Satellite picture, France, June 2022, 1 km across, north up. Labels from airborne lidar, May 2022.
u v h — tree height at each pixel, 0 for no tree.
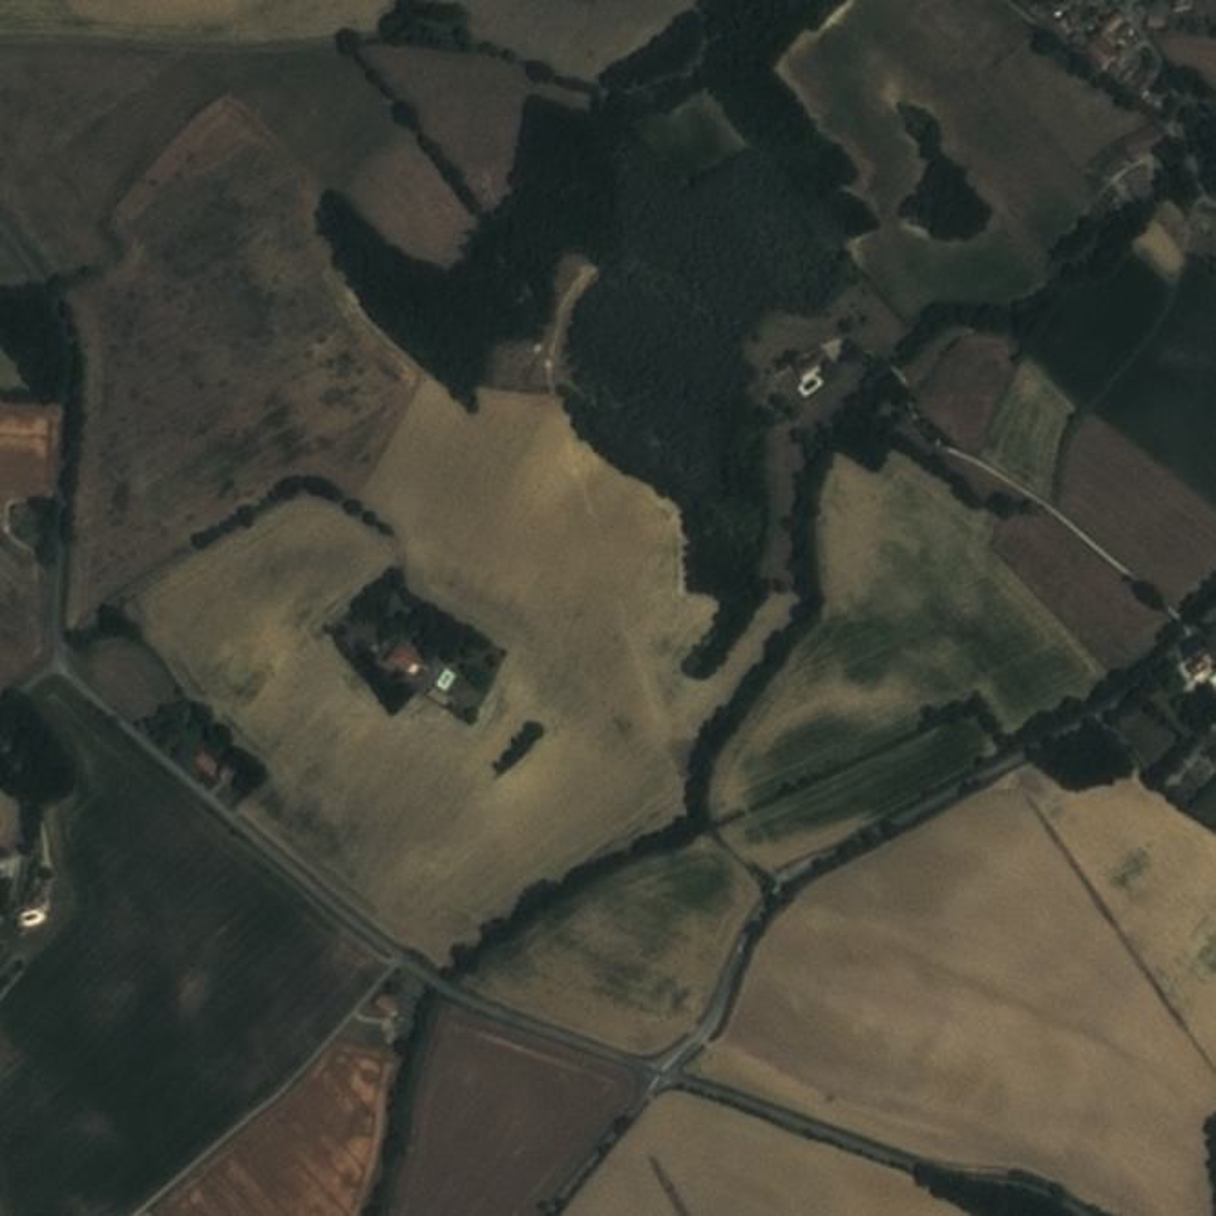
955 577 0
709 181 16
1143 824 0
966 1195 15
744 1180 0
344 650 6
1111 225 13
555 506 0
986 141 0
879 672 0
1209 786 7
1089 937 0
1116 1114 0
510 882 0
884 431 12
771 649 14
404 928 0
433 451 0
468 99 0
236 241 0
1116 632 0
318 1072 0
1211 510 0
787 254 10
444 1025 0
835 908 0
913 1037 0
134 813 0
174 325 0
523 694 0
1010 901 0
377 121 0
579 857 0
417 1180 0
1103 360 0
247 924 0
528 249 13
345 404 0
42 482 0
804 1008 0
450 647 13
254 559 0
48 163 0
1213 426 0
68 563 0
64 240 0
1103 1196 0
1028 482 0
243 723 0
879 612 0
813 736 0
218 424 0
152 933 0
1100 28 7
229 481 0
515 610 0
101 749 0
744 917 0
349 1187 0
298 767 0
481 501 0
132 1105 0
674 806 0
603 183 14
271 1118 0
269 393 0
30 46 0
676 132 0
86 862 0
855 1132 0
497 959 0
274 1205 0
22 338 15
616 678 0
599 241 14
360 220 7
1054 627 0
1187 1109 0
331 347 0
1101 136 0
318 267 0
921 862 0
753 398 15
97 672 0
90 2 0
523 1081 0
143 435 0
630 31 0
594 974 0
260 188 0
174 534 0
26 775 16
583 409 8
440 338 6
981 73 0
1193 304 0
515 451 0
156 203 0
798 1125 0
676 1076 0
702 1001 0
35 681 0
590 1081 0
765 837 0
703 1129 0
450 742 0
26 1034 0
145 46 0
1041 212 0
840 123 0
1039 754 18
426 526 0
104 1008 0
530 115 12
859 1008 0
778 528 0
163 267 0
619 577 0
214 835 0
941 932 0
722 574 11
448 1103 0
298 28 0
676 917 0
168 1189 0
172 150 0
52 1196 0
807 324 0
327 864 0
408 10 13
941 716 22
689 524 11
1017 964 0
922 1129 0
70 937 0
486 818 0
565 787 0
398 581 12
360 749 0
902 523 0
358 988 0
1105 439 0
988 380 0
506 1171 0
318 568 0
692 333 18
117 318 0
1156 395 0
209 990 0
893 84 0
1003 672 0
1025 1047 0
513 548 0
